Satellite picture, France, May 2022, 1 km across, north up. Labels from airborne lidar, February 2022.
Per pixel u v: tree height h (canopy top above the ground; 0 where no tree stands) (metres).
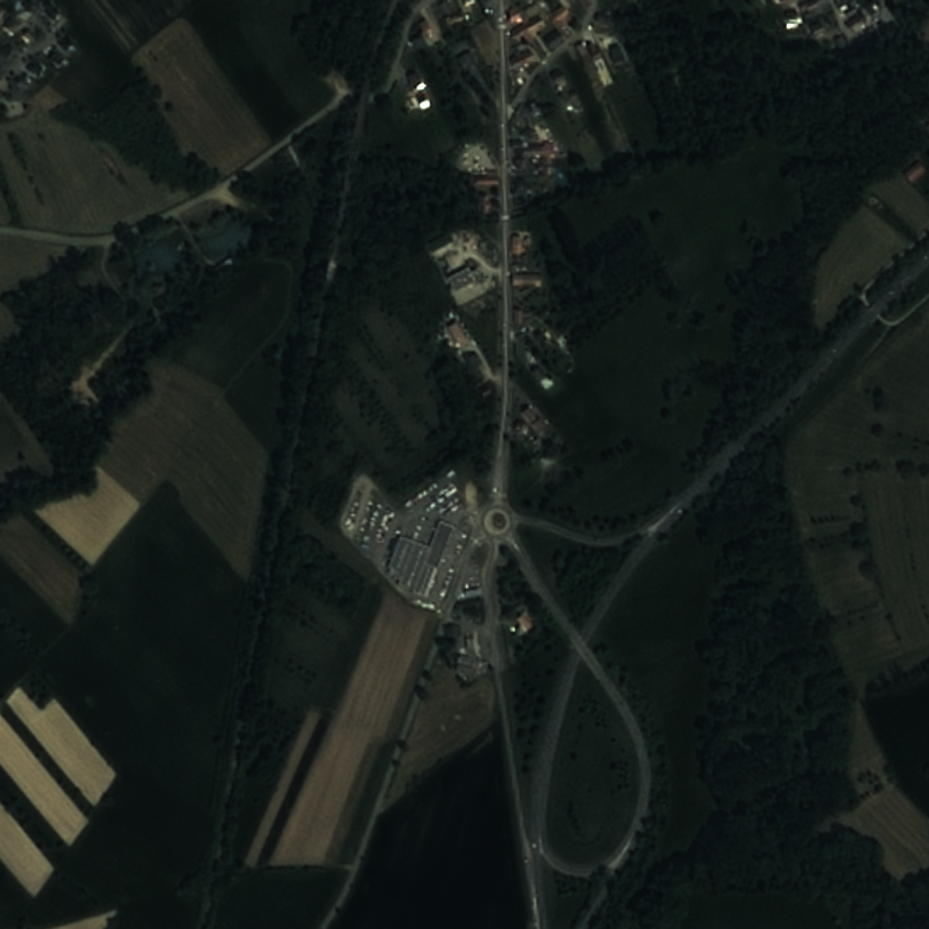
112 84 0
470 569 0
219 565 0
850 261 0
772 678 23
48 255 0
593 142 0
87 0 0
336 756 0
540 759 0
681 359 0
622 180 24
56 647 0
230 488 0
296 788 0
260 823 0
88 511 0
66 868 0
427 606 0
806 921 0
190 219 0
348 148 15
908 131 24
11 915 0
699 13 0
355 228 26
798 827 35
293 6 0
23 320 15
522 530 0
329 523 7
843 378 0
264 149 0
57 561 0
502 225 0
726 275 0
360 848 0
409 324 0
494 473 0
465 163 0
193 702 0
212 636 0
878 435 11
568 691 0
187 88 0
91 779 0
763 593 19
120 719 0
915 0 16
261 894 0
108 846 0
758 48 12
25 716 0
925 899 23
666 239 0
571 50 0
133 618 0
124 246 22
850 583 0
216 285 14
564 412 0
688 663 0
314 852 0
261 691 19
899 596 0
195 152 0
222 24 0
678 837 0
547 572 0
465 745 0
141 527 0
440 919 0
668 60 25
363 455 0
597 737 0
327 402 8
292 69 0
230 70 0
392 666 0
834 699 19
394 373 0
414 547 0
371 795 0
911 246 0
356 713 0
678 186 0
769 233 0
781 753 34
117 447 0
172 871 0
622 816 0
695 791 0
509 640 0
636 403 0
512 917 0
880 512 0
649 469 0
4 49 0
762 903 0
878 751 0
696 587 0
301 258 0
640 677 0
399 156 0
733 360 0
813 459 0
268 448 0
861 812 0
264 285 0
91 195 0
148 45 0
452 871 0
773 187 0
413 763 0
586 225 0
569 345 7
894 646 0
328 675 0
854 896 16
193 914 0
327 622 0
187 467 0
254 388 0
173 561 0
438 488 0
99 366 0
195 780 0
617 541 0
